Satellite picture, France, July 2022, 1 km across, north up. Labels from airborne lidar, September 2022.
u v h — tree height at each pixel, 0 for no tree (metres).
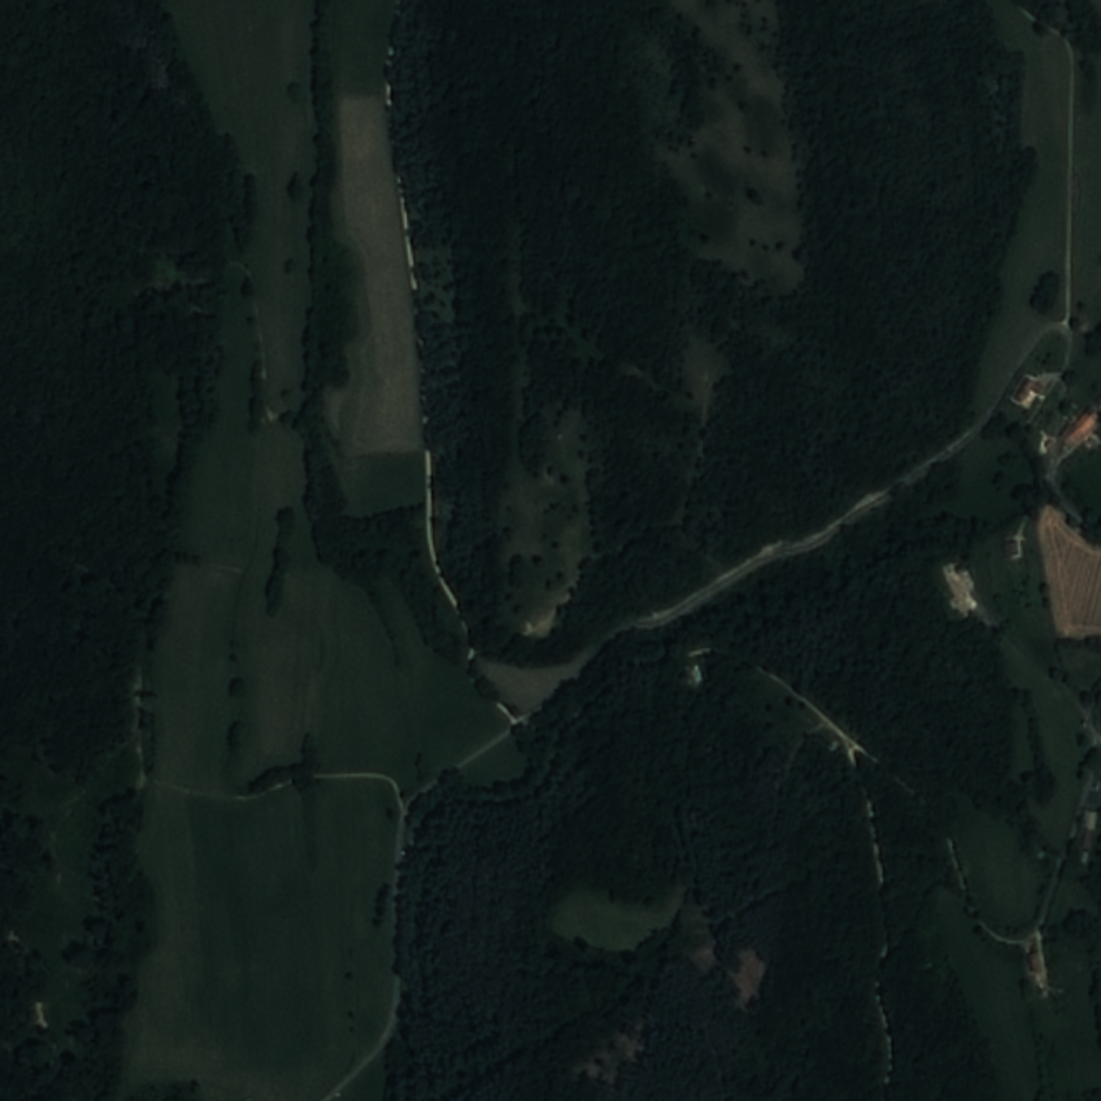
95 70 22
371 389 0
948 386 8
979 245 11
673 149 10
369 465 0
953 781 12
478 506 17
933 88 10
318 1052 0
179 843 0
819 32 11
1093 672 0
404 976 17
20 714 26
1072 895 0
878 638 13
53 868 29
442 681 0
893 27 11
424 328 17
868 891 15
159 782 0
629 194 12
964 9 15
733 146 0
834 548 9
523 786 17
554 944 8
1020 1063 0
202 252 23
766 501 21
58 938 0
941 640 12
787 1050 19
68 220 20
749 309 11
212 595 0
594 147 11
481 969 17
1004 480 14
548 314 12
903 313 8
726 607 12
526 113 14
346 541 19
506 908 17
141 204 23
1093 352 11
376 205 0
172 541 24
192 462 21
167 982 0
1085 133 0
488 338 14
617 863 12
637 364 14
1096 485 0
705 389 0
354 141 0
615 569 15
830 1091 18
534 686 0
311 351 10
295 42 0
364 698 0
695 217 0
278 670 0
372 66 0
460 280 11
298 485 0
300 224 0
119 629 28
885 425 9
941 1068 16
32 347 17
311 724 0
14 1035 27
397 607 0
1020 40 0
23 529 22
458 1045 29
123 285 10
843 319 13
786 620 16
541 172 14
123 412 22
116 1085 11
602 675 14
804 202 7
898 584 8
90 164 20
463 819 22
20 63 19
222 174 19
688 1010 25
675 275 11
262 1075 0
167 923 0
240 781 0
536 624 0
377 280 0
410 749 0
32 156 20
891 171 7
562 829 14
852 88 9
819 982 15
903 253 10
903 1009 19
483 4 18
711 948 0
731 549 18
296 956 0
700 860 20
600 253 10
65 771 26
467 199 19
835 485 7
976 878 0
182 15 0
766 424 11
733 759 19
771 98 0
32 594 25
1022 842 6
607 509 12
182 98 26
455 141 17
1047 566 0
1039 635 0
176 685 0
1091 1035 0
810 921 12
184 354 18
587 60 10
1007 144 9
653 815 10
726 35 0
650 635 10
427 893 10
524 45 14
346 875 0
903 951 17
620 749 12
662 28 8
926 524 16
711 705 13
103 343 20
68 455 21
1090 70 10
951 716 13
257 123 0
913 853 11
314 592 0
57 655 25
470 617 17
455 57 22
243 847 0
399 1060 9
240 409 0
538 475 11
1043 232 0
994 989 0
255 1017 0
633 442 9
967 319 14
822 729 0
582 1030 14
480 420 18
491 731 0
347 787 0
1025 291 0
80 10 22
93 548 22
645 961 9
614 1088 17
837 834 13
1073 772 0
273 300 0
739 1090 15
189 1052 0
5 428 15
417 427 0
